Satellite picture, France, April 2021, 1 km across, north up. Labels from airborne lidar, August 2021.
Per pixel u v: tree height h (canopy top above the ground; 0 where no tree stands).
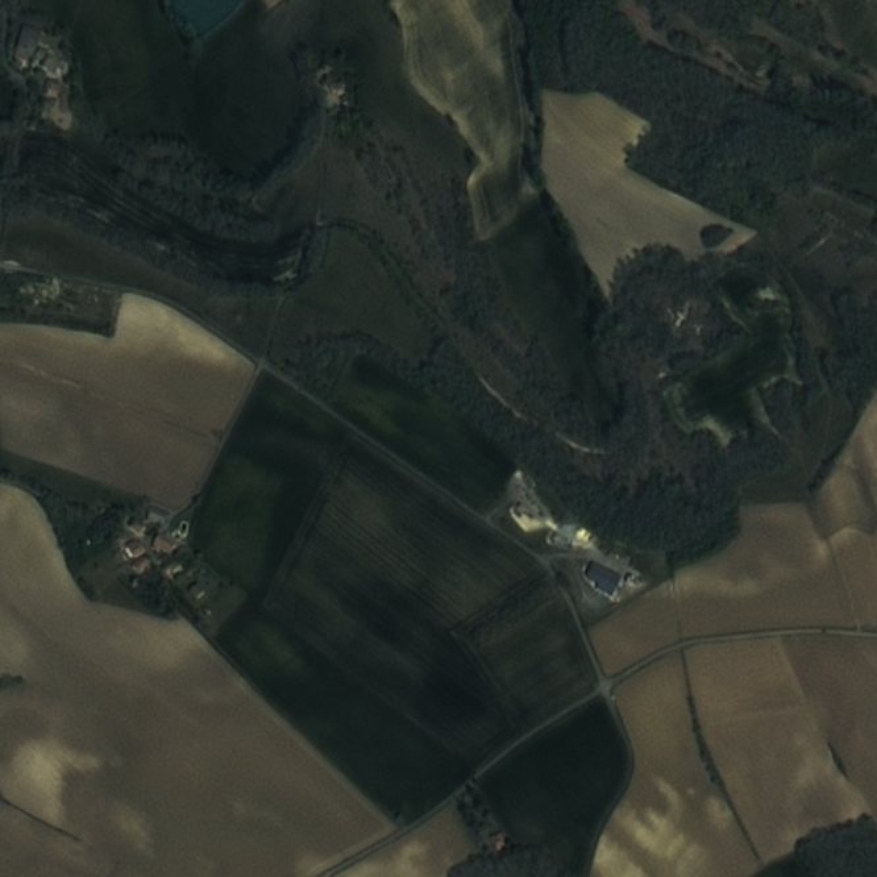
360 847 0
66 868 0
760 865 0
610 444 18
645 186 0
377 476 0
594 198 0
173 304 0
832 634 0
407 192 14
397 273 13
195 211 17
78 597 0
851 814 0
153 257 15
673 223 0
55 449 0
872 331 18
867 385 18
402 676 0
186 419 0
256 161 0
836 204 0
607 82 21
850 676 0
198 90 0
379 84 0
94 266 0
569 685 0
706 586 0
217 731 0
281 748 0
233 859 0
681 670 0
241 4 0
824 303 0
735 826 0
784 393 10
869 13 0
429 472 0
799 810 0
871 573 0
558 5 23
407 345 0
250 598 0
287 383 0
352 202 0
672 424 9
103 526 11
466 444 0
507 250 0
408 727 0
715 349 9
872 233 13
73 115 9
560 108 0
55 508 8
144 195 11
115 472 0
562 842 0
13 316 13
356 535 0
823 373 8
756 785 0
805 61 0
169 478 0
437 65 0
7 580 0
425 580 0
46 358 0
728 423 0
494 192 0
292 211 0
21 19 8
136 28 0
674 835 0
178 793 0
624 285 10
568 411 10
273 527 0
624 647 0
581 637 0
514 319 16
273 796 0
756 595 0
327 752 0
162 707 0
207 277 14
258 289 18
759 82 0
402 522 0
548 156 0
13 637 0
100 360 0
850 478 0
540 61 10
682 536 16
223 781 0
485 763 0
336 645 0
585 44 21
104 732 0
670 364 8
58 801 0
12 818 0
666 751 0
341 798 0
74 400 0
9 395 0
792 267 0
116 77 0
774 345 0
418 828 0
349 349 12
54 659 0
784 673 0
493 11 0
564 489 18
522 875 19
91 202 0
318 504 0
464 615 0
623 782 0
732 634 0
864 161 0
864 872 19
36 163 0
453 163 0
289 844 0
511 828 0
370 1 0
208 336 0
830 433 0
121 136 13
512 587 0
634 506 11
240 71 0
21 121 9
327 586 0
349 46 0
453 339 14
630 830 0
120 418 0
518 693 0
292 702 0
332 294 0
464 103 0
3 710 0
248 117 0
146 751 0
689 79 24
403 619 0
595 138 0
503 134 0
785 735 0
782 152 19
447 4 0
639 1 16
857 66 15
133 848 0
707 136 10
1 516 0
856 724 0
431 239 13
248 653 0
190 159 8
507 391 0
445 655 0
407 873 0
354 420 0
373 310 0
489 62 0
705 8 24
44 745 0
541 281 0
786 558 0
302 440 0
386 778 0
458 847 0
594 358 0
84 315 0
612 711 0
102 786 0
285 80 0
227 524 0
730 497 15
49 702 0
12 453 0
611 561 0
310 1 0
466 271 18
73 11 0
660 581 0
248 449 0
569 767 0
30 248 0
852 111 8
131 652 0
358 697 0
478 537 0
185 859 0
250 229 14
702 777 0
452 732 0
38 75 9
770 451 16
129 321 0
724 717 0
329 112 7
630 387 17
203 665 0
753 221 0
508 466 0
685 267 11
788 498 0
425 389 10
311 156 16
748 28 19
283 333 0
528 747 0
